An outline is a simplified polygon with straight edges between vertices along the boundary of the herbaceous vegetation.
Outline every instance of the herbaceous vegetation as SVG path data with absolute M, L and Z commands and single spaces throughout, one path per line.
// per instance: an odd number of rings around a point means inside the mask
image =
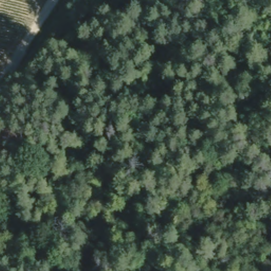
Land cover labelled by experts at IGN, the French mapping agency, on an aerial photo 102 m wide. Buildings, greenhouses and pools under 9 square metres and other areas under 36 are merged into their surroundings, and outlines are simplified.
M 17 72 L 30 71 L 30 62 L 38 56 L 44 43 L 50 42 L 51 38 L 61 40 L 64 37 L 67 22 L 64 7 L 69 0 L 58 0 L 47 19 L 38 26 L 39 31 L 33 40 L 26 46 L 25 58 L 21 60 Z
M 115 14 L 116 11 L 126 13 L 132 0 L 106 0 L 111 14 Z

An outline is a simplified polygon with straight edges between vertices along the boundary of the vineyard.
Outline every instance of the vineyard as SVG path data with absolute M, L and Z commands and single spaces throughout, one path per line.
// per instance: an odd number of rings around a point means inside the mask
M 32 24 L 37 23 L 40 5 L 37 0 L 0 0 L 0 65 L 5 65 L 6 62 L 11 64 L 10 58 L 22 42 L 18 26 L 22 24 L 30 28 Z

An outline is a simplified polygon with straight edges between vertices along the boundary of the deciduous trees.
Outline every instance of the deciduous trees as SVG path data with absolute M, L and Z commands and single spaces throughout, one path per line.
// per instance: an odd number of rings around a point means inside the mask
M 236 182 L 229 174 L 218 174 L 217 182 L 212 184 L 212 195 L 220 196 L 229 187 L 235 187 Z
M 257 25 L 254 35 L 254 39 L 263 48 L 271 42 L 271 23 L 270 20 L 261 22 Z
M 17 176 L 46 177 L 49 171 L 47 153 L 38 144 L 28 142 L 19 148 L 17 155 L 12 158 Z
M 141 268 L 145 256 L 137 252 L 134 233 L 129 232 L 126 238 L 123 238 L 119 232 L 112 237 L 112 257 L 118 260 L 122 254 L 128 253 L 130 260 L 127 269 Z
M 220 169 L 222 166 L 217 151 L 210 140 L 205 140 L 202 153 L 205 162 Z
M 89 197 L 80 215 L 89 215 L 93 218 L 100 212 L 108 211 L 112 214 L 114 211 L 122 210 L 125 206 L 124 198 L 113 196 L 113 202 L 106 205 L 102 205 L 100 201 L 94 202 Z
M 58 246 L 53 239 L 58 235 L 58 231 L 52 229 L 52 222 L 47 222 L 38 228 L 38 231 L 32 231 L 25 239 L 20 239 L 22 252 L 18 260 L 28 256 L 31 261 L 34 260 L 35 252 L 42 247 L 49 253 L 44 263 L 50 268 L 58 266 L 72 271 L 80 271 L 79 255 L 70 254 L 61 258 L 55 250 Z

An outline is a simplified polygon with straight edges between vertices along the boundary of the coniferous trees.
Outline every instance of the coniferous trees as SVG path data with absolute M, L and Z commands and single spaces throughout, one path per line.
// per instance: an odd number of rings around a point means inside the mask
M 126 13 L 116 11 L 115 14 L 111 14 L 106 0 L 69 0 L 64 7 L 67 22 L 64 37 L 61 40 L 51 38 L 50 42 L 44 43 L 38 56 L 30 62 L 30 71 L 17 72 L 15 75 L 8 74 L 3 80 L 0 94 L 0 271 L 72 271 L 58 266 L 50 268 L 44 263 L 49 253 L 42 247 L 35 252 L 34 260 L 31 261 L 28 256 L 18 260 L 22 252 L 20 239 L 25 239 L 32 231 L 38 231 L 38 228 L 47 222 L 52 222 L 52 229 L 58 231 L 58 235 L 53 239 L 58 246 L 55 250 L 61 258 L 70 254 L 79 255 L 80 271 L 271 271 L 271 42 L 263 48 L 254 39 L 254 35 L 257 25 L 261 22 L 270 20 L 271 23 L 271 0 L 132 0 Z M 205 140 L 210 140 L 217 151 L 222 166 L 220 169 L 205 162 L 202 153 Z M 17 176 L 12 158 L 17 155 L 19 148 L 28 142 L 38 144 L 47 153 L 49 171 L 46 177 Z M 229 174 L 236 182 L 235 187 L 229 187 L 220 196 L 212 195 L 212 184 L 217 182 L 218 174 Z M 89 197 L 94 202 L 100 201 L 102 205 L 106 205 L 113 202 L 113 196 L 124 198 L 125 206 L 122 210 L 114 211 L 112 214 L 108 211 L 100 212 L 93 218 L 89 215 L 80 215 Z M 119 232 L 123 238 L 126 238 L 129 232 L 134 233 L 137 252 L 145 256 L 141 268 L 127 269 L 130 260 L 128 253 L 122 254 L 118 260 L 112 257 L 112 237 Z

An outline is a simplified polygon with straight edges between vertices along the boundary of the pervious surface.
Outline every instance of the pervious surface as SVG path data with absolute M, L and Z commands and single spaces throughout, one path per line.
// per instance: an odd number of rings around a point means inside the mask
M 6 62 L 5 65 L 0 65 L 0 94 L 3 80 L 8 74 L 15 75 L 17 72 L 21 60 L 25 58 L 26 46 L 33 40 L 39 31 L 38 26 L 47 19 L 58 0 L 37 0 L 40 5 L 37 23 L 32 24 L 30 28 L 22 24 L 18 26 L 22 42 L 10 58 L 11 64 Z

